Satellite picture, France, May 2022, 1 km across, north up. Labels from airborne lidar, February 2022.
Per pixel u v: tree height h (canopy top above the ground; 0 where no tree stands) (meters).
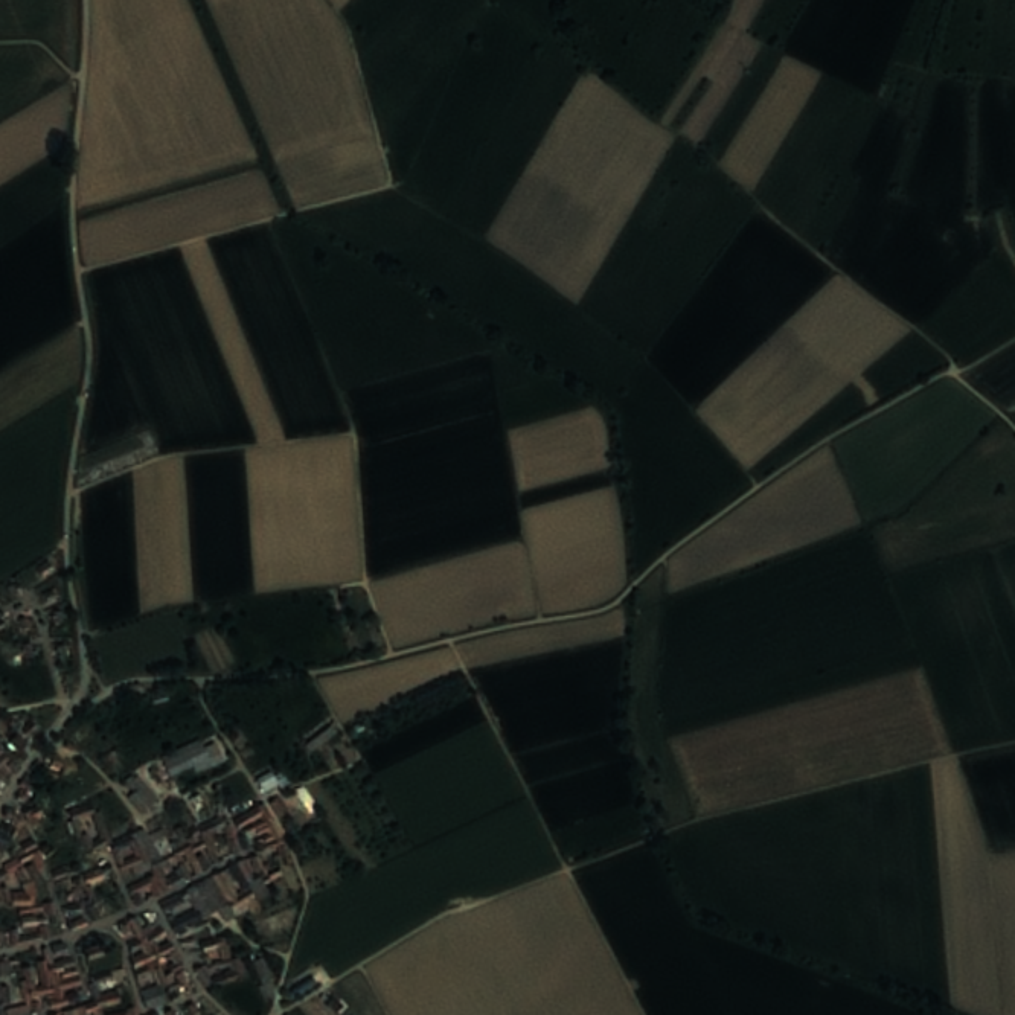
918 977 0
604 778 0
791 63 0
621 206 0
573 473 0
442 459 0
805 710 0
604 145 0
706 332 0
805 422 0
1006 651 0
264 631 0
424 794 0
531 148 0
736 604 0
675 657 0
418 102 0
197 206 0
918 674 0
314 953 0
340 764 10
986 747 0
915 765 0
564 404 0
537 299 0
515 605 0
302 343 0
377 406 0
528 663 0
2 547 0
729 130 0
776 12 0
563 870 0
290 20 0
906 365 0
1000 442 0
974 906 0
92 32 0
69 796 0
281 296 0
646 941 0
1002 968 0
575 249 0
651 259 0
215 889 0
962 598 0
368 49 0
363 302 0
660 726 0
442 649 0
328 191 0
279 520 0
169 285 0
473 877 0
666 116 0
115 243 0
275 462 0
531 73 0
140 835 0
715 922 18
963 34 0
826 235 0
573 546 0
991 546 0
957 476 0
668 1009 0
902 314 0
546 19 0
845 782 0
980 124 0
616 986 0
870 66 0
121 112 0
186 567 0
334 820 0
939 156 0
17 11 0
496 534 0
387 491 0
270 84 0
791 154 0
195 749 0
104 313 0
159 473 0
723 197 0
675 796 0
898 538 0
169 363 0
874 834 0
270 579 0
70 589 0
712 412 0
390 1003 0
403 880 0
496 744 0
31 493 0
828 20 0
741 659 0
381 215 0
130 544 0
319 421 0
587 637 0
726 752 0
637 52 0
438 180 0
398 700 9
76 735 0
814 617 0
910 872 0
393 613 0
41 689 0
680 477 0
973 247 0
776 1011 0
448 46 0
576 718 0
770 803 0
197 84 0
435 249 0
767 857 0
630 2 0
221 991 10
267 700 0
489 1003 0
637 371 0
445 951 0
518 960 0
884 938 0
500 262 0
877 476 0
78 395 0
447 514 0
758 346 0
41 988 0
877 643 0
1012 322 0
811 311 0
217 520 0
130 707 13
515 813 0
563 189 0
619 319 0
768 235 0
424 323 0
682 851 0
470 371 0
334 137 0
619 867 0
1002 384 0
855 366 0
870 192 0
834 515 0
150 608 0
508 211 0
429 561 0
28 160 0
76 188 0
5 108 0
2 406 0
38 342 0
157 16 0
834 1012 0
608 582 0
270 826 0
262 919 0
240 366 0
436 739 0
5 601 0
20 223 0
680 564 0
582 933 0
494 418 0
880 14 0
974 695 0
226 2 0
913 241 0
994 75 0
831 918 0
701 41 9
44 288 0
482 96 0
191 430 0
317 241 0
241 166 0
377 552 0
